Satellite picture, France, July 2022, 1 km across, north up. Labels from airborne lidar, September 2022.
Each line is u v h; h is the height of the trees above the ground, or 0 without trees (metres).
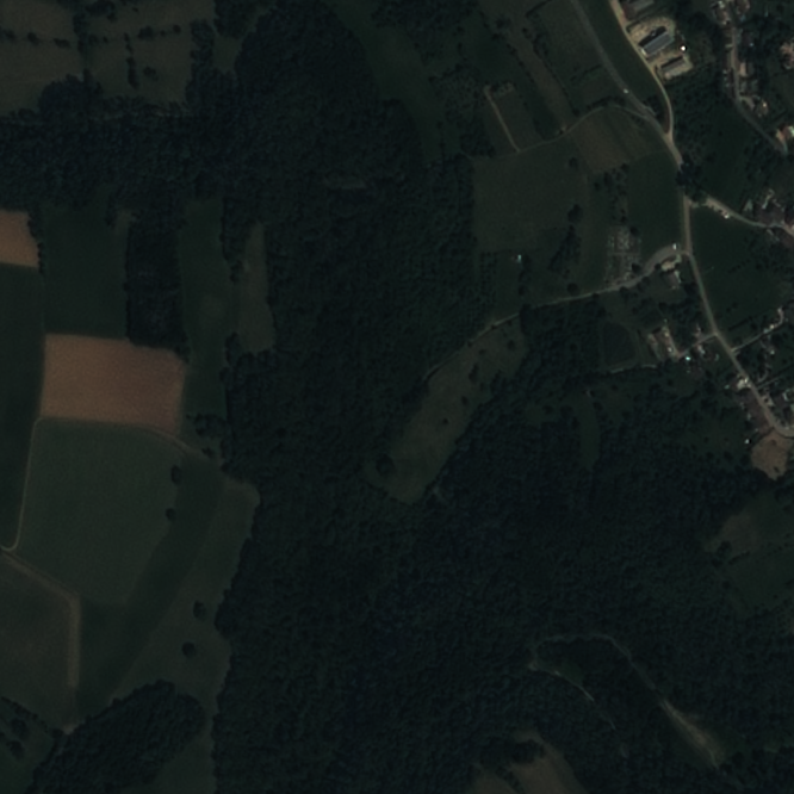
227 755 22
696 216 0
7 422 0
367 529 14
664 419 13
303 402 28
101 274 0
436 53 9
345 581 25
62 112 28
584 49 0
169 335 12
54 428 0
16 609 0
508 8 0
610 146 0
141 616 0
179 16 0
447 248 15
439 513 22
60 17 0
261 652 29
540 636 15
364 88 23
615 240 0
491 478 20
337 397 28
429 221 9
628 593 15
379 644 6
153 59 0
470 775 14
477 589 16
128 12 0
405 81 0
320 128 27
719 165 0
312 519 27
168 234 18
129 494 0
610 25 0
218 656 0
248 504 0
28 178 22
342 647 9
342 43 22
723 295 0
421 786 19
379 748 19
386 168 22
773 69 0
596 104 5
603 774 22
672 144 0
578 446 13
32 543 0
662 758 26
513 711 20
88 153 23
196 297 0
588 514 23
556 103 0
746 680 26
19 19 0
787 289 0
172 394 0
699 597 8
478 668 18
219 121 15
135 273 10
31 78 0
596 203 0
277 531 25
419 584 8
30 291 0
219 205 0
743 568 0
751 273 0
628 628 25
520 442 18
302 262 32
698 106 6
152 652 0
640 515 18
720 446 0
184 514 0
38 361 0
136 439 0
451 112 7
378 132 30
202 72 15
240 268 14
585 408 0
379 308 19
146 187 10
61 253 0
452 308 7
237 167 27
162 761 12
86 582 0
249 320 0
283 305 23
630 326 0
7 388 0
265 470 13
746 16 0
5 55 0
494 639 10
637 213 0
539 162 0
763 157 8
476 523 31
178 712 20
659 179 0
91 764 15
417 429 0
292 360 23
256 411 23
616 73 0
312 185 28
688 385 0
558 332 6
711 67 6
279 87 21
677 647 25
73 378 0
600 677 8
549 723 32
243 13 11
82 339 0
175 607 0
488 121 0
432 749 11
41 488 0
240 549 0
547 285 0
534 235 0
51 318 0
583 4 0
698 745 0
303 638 27
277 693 32
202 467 0
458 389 0
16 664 0
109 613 0
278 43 22
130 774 10
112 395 0
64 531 0
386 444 7
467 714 24
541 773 0
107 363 0
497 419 20
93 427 0
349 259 30
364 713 19
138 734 15
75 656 0
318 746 29
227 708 16
